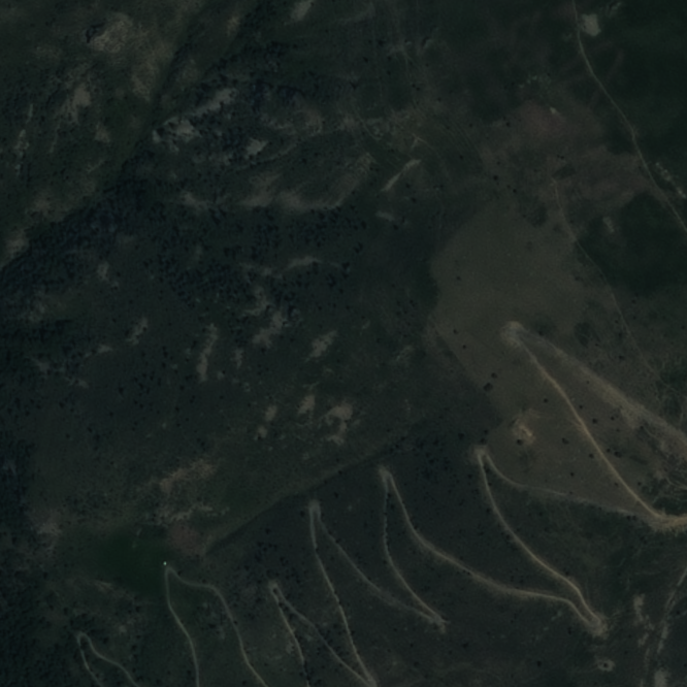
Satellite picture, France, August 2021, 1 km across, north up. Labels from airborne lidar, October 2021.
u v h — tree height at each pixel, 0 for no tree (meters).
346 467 0
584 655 0
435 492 0
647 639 0
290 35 0
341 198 0
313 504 0
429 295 0
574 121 0
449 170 0
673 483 0
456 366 0
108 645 12
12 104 9
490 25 0
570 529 0
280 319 0
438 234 0
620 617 0
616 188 0
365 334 0
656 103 0
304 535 0
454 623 0
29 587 7
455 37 0
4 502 7
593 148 0
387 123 0
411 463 0
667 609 0
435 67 0
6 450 6
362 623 0
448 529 0
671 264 0
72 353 10
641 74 0
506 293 0
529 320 0
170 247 9
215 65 5
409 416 0
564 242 0
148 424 0
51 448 0
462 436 11
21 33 0
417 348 0
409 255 0
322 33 0
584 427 0
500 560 0
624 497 0
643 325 0
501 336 0
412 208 0
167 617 7
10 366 8
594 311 0
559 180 0
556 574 0
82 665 6
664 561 0
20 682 14
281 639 0
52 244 6
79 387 0
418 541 0
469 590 0
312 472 0
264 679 0
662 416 0
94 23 0
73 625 15
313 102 0
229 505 0
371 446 0
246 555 0
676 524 0
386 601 0
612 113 0
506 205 0
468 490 0
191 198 0
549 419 0
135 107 8
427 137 0
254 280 8
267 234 9
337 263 0
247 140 11
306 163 12
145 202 18
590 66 0
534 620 0
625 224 0
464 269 0
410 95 0
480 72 0
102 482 0
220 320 0
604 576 0
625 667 0
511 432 0
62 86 8
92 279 0
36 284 8
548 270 0
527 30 0
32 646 8
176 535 0
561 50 0
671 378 0
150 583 0
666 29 0
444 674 0
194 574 0
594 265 0
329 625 0
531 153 0
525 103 0
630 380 0
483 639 0
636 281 0
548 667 0
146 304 0
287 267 0
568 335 0
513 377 0
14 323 6
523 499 0
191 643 0
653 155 0
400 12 0
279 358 0
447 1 0
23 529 6
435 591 0
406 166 0
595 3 0
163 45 0
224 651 0
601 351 0
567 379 0
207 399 0
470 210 0
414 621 0
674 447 0
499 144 0
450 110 0
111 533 0
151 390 7
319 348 0
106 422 0
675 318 0
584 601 0
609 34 0
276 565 0
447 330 0
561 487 0
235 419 0
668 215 0
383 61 0
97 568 0
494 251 0
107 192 10
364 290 0
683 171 0
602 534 0
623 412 0
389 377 0
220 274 7
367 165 0
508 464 0
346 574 0
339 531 0
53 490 0
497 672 0
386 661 0
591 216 0
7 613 8
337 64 0
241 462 0
